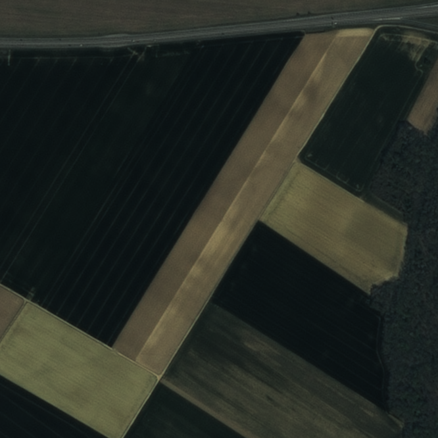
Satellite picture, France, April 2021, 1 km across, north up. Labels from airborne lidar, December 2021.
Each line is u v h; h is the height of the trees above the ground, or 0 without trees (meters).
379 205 0
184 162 0
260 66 0
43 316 0
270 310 0
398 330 24
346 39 0
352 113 0
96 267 0
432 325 25
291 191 0
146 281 0
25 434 0
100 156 0
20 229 0
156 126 0
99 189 0
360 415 0
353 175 0
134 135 0
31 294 0
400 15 0
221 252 0
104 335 0
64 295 0
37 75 0
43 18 0
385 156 18
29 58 0
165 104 0
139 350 0
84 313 0
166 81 0
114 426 0
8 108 0
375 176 8
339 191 0
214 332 0
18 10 0
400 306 25
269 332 0
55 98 0
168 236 0
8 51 0
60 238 0
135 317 0
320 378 0
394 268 0
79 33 0
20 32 0
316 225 0
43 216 0
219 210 0
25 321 0
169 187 0
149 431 0
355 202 0
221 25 0
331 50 0
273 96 0
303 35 0
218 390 0
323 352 0
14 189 0
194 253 0
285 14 0
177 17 0
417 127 0
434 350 21
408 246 14
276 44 0
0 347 0
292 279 0
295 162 0
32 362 0
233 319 0
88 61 0
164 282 0
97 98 0
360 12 0
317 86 0
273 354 0
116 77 0
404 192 9
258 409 0
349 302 0
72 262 0
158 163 0
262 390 0
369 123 0
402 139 14
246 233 0
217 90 0
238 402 0
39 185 0
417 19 0
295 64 0
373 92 0
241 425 0
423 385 25
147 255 0
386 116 0
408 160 21
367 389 0
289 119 0
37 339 0
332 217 0
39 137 0
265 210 0
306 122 0
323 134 0
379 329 0
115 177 0
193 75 0
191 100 0
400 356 23
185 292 0
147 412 0
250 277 0
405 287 14
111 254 0
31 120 0
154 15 0
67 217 0
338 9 0
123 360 0
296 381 0
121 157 0
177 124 0
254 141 0
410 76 0
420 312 24
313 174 0
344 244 0
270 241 0
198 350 0
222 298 0
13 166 0
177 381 0
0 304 0
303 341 0
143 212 0
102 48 0
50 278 0
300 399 0
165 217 0
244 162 0
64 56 0
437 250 7
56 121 0
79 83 0
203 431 0
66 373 0
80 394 0
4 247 0
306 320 0
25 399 0
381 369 0
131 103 0
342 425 0
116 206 0
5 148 0
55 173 0
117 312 0
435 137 8
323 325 0
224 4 0
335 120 0
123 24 0
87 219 0
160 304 0
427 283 24
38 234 0
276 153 0
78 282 0
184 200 0
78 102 0
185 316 0
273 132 0
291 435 0
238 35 0
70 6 0
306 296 0
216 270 0
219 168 0
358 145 0
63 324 0
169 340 0
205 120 0
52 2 0
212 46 0
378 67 0
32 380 0
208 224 0
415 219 11
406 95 0
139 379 0
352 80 0
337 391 0
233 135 0
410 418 20
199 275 0
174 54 0
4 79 0
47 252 0
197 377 0
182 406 0
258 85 0
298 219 0
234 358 0
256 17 0
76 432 0
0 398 0
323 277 0
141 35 0
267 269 0
